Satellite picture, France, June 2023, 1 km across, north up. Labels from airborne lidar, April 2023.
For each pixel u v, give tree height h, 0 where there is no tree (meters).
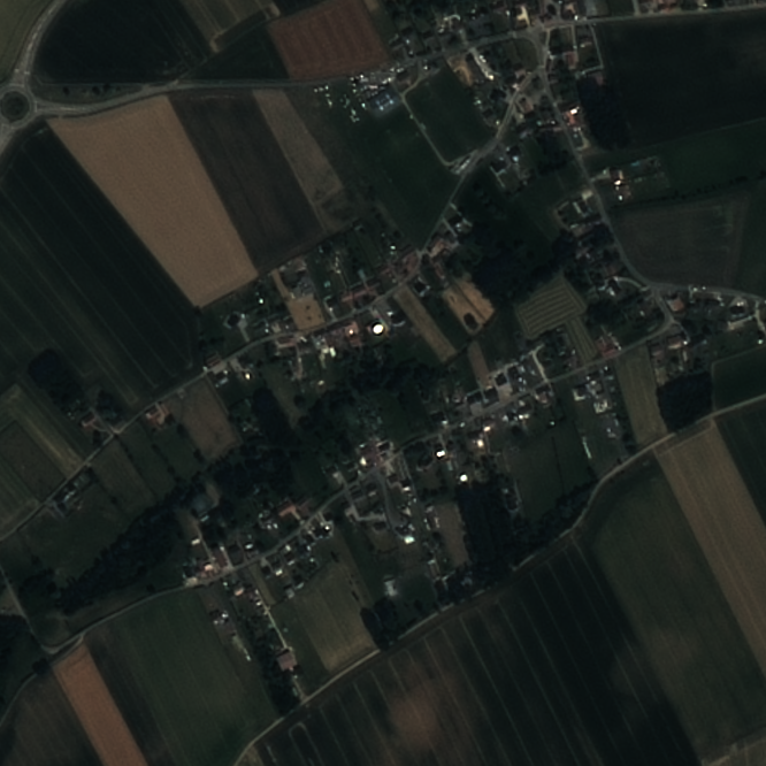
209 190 0
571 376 0
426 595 0
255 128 0
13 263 0
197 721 0
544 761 0
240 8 0
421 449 7
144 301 0
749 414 0
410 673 0
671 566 0
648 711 0
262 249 0
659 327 0
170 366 0
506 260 37
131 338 0
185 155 0
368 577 0
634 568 0
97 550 0
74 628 0
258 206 0
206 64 0
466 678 0
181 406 0
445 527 0
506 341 0
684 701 0
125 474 0
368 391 15
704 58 0
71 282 0
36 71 0
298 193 0
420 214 0
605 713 0
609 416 0
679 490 0
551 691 0
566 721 0
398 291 0
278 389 0
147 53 0
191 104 0
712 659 0
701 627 0
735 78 0
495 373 0
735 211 0
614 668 0
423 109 0
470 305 0
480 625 0
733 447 0
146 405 0
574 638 0
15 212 0
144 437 0
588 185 0
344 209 0
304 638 0
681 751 0
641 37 0
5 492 0
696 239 0
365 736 0
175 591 0
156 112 0
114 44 0
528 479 0
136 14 0
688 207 0
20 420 0
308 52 0
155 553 17
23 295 0
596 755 0
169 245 0
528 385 0
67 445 0
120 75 0
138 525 7
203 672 0
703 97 0
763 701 0
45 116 0
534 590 0
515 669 0
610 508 0
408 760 0
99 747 0
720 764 0
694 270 0
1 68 0
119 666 0
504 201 0
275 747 0
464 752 0
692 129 0
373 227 0
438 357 0
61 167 0
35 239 0
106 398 13
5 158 0
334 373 0
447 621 0
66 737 0
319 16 0
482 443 0
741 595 0
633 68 0
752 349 0
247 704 0
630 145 0
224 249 0
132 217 0
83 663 0
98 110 0
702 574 0
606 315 12
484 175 0
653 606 0
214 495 0
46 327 0
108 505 0
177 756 0
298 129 0
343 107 0
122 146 0
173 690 0
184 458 0
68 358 0
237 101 0
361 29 0
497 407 0
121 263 0
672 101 0
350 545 0
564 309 0
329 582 0
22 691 0
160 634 0
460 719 0
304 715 0
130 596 0
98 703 0
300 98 0
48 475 0
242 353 0
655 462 0
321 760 0
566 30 0
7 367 0
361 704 0
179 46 0
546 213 0
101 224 0
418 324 0
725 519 0
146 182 0
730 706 0
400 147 0
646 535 0
